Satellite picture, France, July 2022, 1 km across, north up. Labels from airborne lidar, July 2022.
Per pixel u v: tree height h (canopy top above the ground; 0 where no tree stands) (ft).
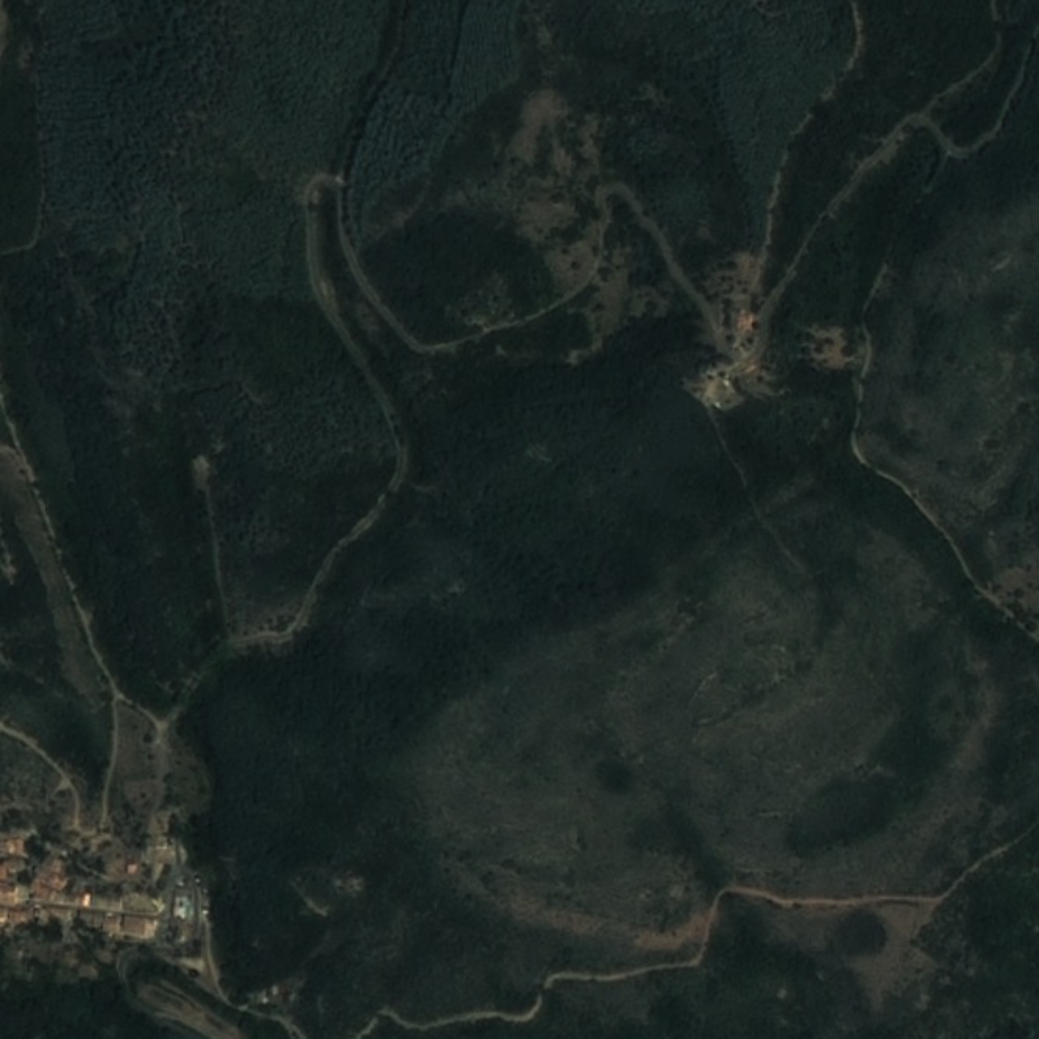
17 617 25
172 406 21
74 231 20
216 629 23
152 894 28
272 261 38
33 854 24
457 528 23
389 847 20
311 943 32
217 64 42
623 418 37
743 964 24
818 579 22
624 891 0
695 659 0
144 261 37
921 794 21
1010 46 35
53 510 20
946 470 27
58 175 30
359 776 23
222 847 24
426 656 20
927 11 24
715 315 0
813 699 0
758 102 30
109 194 51
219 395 46
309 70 41
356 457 27
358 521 26
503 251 23
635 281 27
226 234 37
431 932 23
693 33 35
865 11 31
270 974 25
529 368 38
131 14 38
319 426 40
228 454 39
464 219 20
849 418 32
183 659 23
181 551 36
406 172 35
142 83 44
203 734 24
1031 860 22
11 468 0
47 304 21
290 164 33
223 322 52
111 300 29
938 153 40
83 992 29
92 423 25
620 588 21
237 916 23
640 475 25
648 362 27
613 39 18
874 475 28
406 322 21
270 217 31
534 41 24
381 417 26
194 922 0
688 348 21
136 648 29
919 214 30
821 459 29
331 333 25
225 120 41
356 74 48
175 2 39
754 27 31
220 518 20
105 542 26
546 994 26
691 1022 19
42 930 21
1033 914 23
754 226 38
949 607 20
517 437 23
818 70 41
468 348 35
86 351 20
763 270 26
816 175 23
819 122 24
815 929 0
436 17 31
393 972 21
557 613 20
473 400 33
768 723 0
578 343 52
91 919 0
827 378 27
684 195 21
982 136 28
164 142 49
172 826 37
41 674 22
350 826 20
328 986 20
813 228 23
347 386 26
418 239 19
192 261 45
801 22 44
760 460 27
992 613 23
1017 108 33
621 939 0
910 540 23
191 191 36
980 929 24
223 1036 0
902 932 0
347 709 26
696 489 24
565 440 19
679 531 26
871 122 22
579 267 37
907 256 21
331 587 24
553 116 0
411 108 41
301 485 27
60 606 0
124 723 0
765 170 34
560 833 0
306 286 28
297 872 29
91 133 22
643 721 0
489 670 26
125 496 24
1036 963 19
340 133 50
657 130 28
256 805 26
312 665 40
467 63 38
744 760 0
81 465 30
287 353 18
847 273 39
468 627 19
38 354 29
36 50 28
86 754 24
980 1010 21
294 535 29
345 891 32
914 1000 0
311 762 22
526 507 22
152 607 20
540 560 36
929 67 18
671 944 0
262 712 27
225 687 32
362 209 45
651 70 21
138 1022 20
